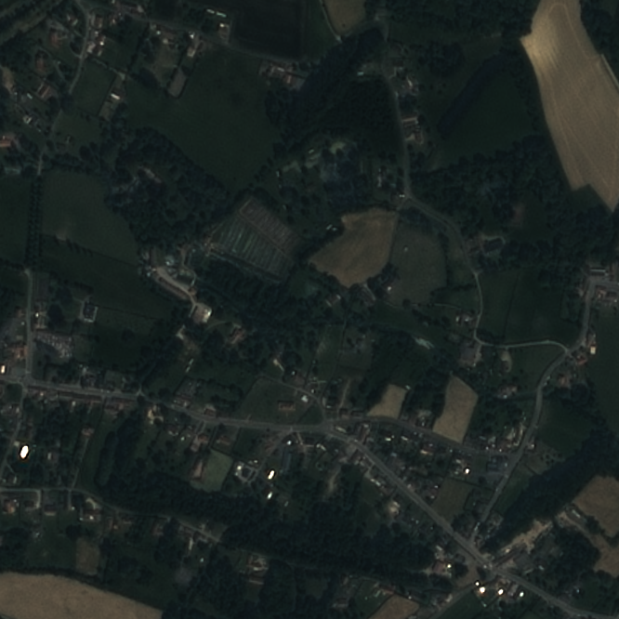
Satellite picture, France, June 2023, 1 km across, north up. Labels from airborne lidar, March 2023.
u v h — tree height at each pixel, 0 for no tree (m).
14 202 0
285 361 18
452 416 0
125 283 0
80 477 0
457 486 0
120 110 16
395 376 0
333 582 19
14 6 0
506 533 22
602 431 13
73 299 29
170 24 0
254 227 0
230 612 24
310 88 29
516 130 0
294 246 0
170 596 0
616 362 0
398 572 21
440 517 0
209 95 0
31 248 10
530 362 0
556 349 0
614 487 0
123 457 32
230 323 7
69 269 0
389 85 0
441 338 0
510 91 0
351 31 0
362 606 0
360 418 0
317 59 0
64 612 0
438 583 15
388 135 0
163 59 0
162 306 0
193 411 0
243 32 0
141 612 0
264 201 15
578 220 19
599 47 21
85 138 0
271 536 24
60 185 0
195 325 19
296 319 7
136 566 24
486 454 0
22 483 7
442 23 20
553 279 22
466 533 0
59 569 8
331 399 6
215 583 25
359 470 0
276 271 0
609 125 0
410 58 0
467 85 0
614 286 0
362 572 10
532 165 29
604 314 0
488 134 0
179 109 0
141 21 0
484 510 0
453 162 0
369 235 0
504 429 0
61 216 0
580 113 0
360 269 0
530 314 0
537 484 24
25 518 0
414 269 0
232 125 0
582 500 0
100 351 0
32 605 0
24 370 0
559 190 31
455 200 7
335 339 0
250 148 0
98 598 0
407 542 9
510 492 0
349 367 0
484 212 0
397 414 0
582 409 9
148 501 22
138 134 16
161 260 0
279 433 0
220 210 16
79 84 0
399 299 0
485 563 0
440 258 0
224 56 0
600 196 0
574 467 25
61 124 0
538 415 0
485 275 0
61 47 0
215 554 14
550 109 0
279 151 25
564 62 0
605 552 0
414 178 22
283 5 0
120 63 0
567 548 9
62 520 0
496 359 7
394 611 0
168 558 11
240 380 0
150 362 9
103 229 0
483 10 24
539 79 0
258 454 0
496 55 0
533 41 0
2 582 0
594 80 0
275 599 20
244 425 0
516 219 0
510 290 0
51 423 16
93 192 0
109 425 0
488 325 0
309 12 0
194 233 16
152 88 18
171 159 21
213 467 0
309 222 0
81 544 0
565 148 0
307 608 20
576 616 0
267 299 10
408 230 0
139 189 18
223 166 0
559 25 0
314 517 14
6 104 23
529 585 0
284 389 0
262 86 0
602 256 7
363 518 0
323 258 0
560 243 20
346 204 19
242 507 18
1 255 0
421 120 15
